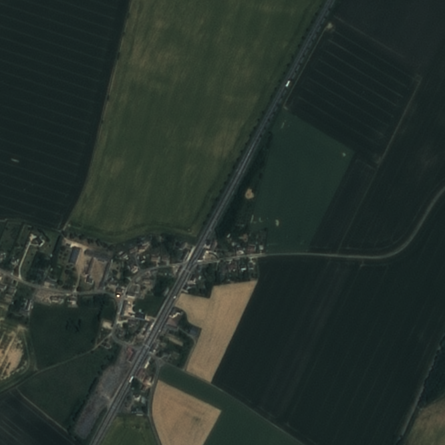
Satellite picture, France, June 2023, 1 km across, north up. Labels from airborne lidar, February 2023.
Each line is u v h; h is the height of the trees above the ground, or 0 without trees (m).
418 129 0
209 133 0
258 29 0
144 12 0
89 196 0
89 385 0
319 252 0
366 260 0
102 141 0
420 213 0
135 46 0
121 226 0
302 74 0
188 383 0
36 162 0
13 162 0
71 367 0
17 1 0
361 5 0
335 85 0
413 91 0
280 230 0
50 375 0
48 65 0
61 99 0
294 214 0
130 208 0
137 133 0
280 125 0
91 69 0
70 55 0
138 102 0
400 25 0
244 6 0
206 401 0
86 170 0
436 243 0
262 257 0
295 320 0
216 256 0
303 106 0
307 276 0
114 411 0
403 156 0
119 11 0
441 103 0
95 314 0
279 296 0
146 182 0
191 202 0
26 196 0
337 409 0
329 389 0
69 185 0
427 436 0
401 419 0
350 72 0
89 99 0
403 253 0
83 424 0
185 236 0
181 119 0
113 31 0
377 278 0
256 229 0
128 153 0
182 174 0
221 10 0
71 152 0
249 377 0
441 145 0
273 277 0
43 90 0
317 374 0
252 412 0
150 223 0
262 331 0
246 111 0
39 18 0
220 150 0
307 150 0
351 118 0
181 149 0
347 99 0
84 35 0
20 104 0
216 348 0
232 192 0
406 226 0
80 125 0
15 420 0
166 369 0
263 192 0
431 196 0
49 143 0
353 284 0
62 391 0
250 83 0
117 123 0
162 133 0
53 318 0
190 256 0
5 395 0
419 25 0
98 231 0
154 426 0
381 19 0
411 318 0
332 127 0
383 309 0
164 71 0
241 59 0
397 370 0
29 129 0
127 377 0
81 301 9
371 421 0
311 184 0
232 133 0
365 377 0
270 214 0
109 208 0
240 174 0
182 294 0
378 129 0
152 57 0
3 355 0
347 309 0
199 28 0
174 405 0
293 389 0
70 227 0
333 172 0
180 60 0
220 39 0
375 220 0
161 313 0
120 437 0
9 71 0
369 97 0
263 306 0
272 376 0
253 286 0
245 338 0
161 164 0
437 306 0
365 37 0
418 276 0
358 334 0
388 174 0
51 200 0
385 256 0
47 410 0
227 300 0
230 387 0
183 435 0
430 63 0
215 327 0
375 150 0
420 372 0
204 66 0
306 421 0
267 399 0
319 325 0
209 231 0
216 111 0
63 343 0
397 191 0
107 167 0
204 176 0
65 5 0
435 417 0
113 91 0
